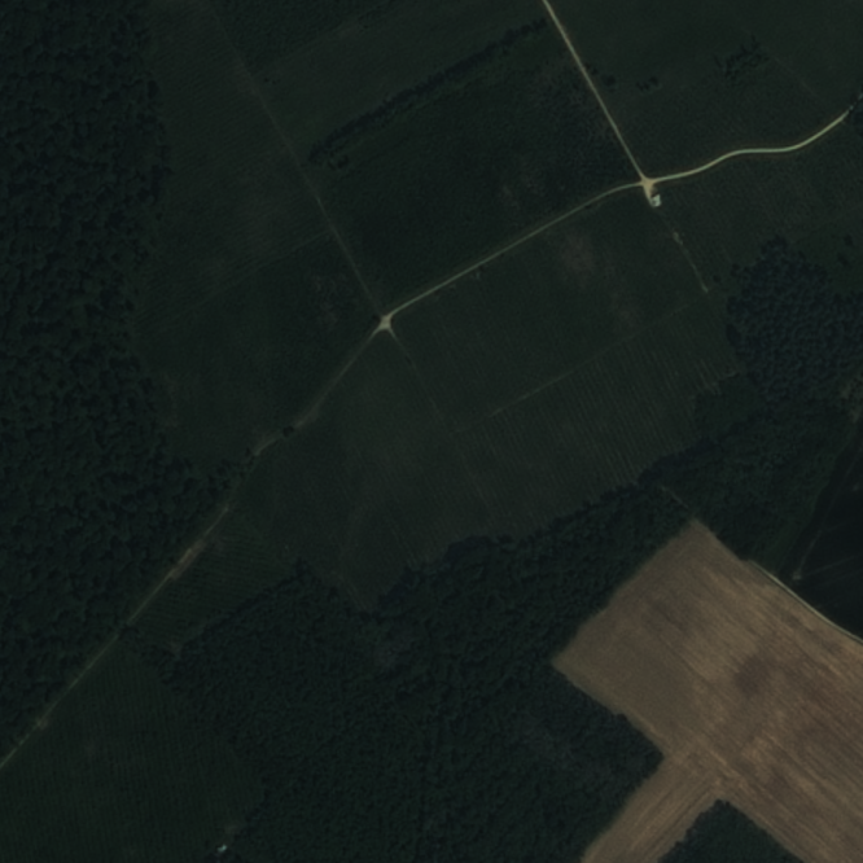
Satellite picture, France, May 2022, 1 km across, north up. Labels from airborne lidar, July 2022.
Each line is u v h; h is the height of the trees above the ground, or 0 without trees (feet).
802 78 0
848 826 0
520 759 86
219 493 59
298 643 68
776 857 70
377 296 0
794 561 0
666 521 85
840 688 0
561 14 0
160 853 19
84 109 86
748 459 98
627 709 0
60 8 84
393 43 0
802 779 0
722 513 85
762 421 93
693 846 66
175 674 39
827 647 0
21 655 92
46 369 84
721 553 0
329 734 62
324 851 54
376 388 0
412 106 62
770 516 88
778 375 118
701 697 0
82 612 51
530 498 0
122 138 75
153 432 69
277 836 58
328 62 0
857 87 0
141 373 90
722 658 0
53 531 83
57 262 99
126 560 91
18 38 91
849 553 0
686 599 0
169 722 19
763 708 0
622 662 0
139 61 80
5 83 94
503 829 77
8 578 99
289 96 0
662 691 0
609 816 68
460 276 0
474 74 43
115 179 69
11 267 89
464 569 95
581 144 27
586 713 84
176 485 94
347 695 63
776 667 0
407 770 61
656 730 0
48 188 22
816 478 72
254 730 59
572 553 85
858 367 60
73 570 75
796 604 0
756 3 0
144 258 81
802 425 88
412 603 95
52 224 85
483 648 84
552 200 19
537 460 0
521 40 64
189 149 0
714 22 0
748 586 0
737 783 0
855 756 0
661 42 0
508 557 70
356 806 59
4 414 100
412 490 0
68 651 91
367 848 58
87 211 90
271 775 58
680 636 0
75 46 77
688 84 0
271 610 63
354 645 62
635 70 0
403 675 79
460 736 86
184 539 93
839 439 69
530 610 85
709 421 33
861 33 0
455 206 20
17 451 76
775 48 0
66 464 75
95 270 92
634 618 0
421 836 68
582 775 73
